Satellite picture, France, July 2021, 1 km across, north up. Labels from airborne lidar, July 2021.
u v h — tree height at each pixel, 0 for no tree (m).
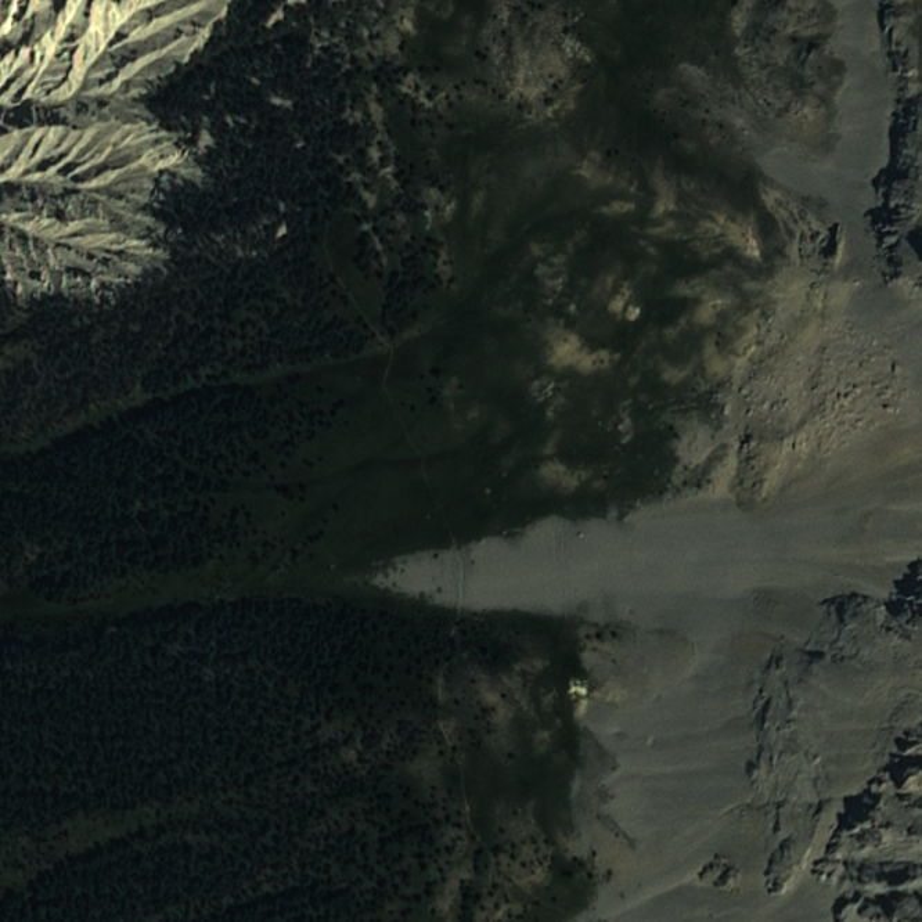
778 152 0
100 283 0
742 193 0
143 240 0
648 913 0
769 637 0
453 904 0
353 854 11
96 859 22
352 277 0
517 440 0
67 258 0
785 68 0
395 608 0
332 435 0
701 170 0
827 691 0
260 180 15
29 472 7
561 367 0
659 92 0
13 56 0
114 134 0
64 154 0
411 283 9
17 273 0
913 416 0
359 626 11
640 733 0
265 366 11
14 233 0
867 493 0
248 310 6
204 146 0
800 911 0
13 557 16
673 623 0
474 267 0
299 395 0
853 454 0
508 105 0
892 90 0
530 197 0
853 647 0
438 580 0
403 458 0
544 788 0
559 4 0
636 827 0
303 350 13
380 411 0
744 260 0
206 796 16
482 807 0
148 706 20
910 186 0
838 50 0
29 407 8
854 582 0
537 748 0
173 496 19
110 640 21
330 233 0
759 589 0
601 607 0
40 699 22
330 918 10
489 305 0
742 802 0
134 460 23
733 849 0
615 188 0
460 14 0
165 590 0
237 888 17
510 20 0
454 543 0
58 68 0
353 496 0
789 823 0
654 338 0
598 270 0
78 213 0
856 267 0
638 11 0
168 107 14
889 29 0
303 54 9
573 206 0
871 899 0
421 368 0
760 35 0
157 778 17
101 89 0
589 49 0
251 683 10
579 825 0
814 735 0
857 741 0
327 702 13
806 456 0
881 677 0
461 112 0
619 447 0
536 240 0
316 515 0
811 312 0
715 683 0
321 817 9
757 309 0
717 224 0
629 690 0
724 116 0
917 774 0
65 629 6
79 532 22
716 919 0
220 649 12
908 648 0
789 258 0
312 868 10
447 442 0
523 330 0
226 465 9
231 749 14
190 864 11
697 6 0
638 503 0
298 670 13
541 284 0
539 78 0
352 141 9
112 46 0
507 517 0
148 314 9
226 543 9
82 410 7
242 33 11
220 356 9
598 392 0
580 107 0
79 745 14
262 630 18
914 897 0
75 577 13
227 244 10
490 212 0
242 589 0
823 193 0
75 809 18
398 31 0
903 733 0
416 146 0
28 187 0
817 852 0
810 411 0
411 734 7
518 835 0
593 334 0
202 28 0
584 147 0
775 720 0
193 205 7
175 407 9
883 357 0
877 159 0
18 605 0
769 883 0
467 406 0
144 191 0
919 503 0
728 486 0
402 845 12
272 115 12
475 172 0
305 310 13
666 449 0
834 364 0
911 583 0
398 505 0
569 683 0
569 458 0
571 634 0
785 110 0
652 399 0
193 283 9
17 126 0
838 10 0
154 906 8
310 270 13
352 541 0
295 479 0
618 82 0
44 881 21
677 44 0
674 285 0
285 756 8
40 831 6
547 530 0
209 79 10
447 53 0
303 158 15
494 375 0
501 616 0
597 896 0
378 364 0
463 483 0
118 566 20
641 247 0
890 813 0
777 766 0
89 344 12
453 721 0
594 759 0
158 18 0
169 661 18
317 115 14
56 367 13
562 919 0
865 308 0
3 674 16
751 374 0
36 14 0
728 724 0
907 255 0
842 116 0
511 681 0
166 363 12
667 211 0
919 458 0
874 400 0
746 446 0
